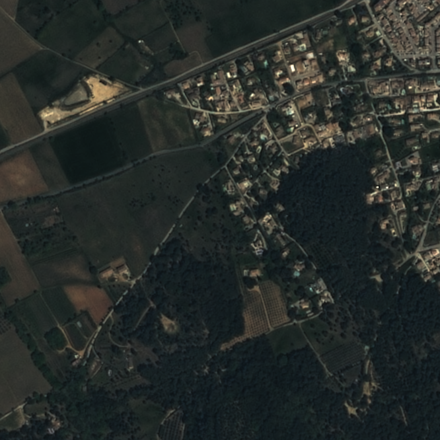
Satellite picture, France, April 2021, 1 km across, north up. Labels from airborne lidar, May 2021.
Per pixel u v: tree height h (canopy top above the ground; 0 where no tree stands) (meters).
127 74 0
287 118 7
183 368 16
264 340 8
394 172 0
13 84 0
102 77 0
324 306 10
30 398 7
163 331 11
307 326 0
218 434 8
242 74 12
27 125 0
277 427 11
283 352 0
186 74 0
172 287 14
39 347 9
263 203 6
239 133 0
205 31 0
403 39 0
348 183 14
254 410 6
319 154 17
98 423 10
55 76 0
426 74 8
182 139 0
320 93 0
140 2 8
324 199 13
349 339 0
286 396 8
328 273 8
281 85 0
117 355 16
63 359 0
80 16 0
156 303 11
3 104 0
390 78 0
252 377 8
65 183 0
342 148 14
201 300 0
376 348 7
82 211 0
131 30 0
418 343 11
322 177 16
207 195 7
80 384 13
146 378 18
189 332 13
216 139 0
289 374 9
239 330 9
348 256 16
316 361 9
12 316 14
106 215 0
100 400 8
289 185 8
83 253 0
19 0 0
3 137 0
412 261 0
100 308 0
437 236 0
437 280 13
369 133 0
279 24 0
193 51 0
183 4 7
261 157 6
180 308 8
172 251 12
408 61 0
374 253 6
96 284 0
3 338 0
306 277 0
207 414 7
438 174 5
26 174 0
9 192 0
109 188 0
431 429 6
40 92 0
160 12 0
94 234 0
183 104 0
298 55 0
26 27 0
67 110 0
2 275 8
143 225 0
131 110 0
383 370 7
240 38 0
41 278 0
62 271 0
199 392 10
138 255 0
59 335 14
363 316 8
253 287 9
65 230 9
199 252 0
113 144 0
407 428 6
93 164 0
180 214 0
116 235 0
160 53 0
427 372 14
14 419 0
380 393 7
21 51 0
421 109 0
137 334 14
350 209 17
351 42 8
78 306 0
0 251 0
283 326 0
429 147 0
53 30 0
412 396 13
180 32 0
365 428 12
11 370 0
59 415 11
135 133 0
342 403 12
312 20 0
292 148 0
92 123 0
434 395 16
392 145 0
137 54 0
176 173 0
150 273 12
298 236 11
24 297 0
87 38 0
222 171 8
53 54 0
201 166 0
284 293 0
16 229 0
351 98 11
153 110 0
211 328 6
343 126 10
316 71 0
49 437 11
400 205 0
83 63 0
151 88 0
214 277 7
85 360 8
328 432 7
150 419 0
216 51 0
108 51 0
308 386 13
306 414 14
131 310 15
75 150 0
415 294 14
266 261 11
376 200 7
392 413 14
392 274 8
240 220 7
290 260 11
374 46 11
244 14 0
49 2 0
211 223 0
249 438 6
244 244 11
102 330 0
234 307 9
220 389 12
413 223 13
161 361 14
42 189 0
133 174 0
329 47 0
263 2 0
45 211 0
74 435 7
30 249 11
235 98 0
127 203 0
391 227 8
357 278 13
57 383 14
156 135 0
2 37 0
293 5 0
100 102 0
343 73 7
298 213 15
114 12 0
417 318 13
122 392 13
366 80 0
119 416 9
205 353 15
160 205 0
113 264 0
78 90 0
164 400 6
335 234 18
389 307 14
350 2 0
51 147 0
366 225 16
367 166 19
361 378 9
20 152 0
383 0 0
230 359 7
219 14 0
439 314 12
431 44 6
